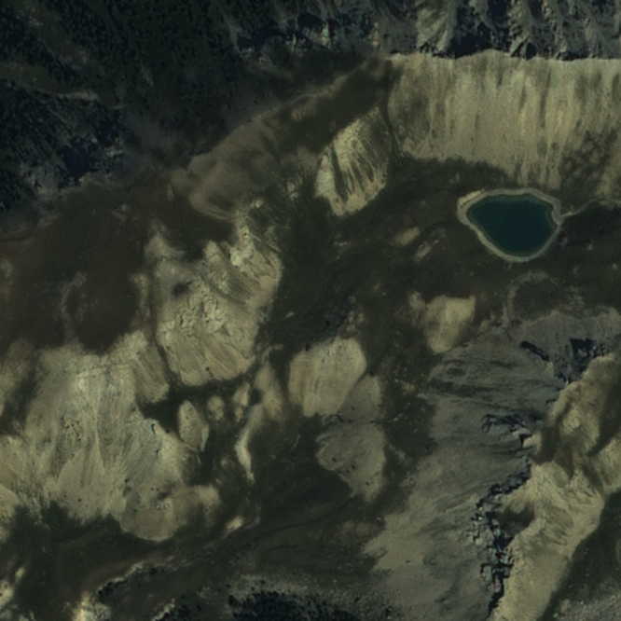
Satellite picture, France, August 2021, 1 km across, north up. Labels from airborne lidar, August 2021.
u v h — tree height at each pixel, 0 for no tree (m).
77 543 0
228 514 0
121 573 0
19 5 0
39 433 0
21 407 0
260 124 0
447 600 0
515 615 0
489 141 0
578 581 0
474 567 0
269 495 0
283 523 0
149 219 0
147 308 0
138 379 0
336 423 0
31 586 0
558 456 0
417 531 0
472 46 0
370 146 0
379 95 0
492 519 0
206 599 0
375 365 0
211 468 0
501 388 0
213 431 0
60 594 0
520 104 0
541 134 0
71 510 0
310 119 0
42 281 0
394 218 0
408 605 0
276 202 0
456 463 0
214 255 0
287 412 0
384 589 0
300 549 0
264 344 0
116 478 0
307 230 0
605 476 0
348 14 0
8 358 0
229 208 0
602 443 0
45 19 0
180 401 0
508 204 0
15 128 12
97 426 0
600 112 0
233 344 0
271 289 0
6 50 14
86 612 0
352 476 0
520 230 0
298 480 0
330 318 0
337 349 0
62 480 0
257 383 0
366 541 0
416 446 0
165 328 0
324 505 0
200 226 0
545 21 0
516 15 0
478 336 0
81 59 0
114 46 11
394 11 0
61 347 0
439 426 0
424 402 0
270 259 0
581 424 0
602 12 0
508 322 0
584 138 0
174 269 0
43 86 0
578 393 0
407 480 0
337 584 0
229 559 0
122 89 0
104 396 0
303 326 0
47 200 0
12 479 0
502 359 0
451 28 0
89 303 0
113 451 0
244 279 0
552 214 0
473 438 0
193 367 0
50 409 0
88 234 0
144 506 0
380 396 0
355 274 0
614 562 0
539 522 0
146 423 0
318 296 0
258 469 0
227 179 0
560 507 0
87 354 0
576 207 0
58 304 0
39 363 0
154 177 0
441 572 0
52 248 0
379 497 0
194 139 0
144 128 0
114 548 0
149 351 0
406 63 0
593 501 0
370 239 0
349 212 0
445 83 0
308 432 0
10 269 0
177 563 0
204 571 0
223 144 0
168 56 0
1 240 0
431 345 0
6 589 0
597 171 0
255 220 0
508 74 0
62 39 0
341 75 0
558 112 0
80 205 0
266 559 0
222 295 0
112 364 0
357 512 0
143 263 0
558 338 0
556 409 0
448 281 0
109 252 0
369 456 0
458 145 0
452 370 0
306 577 0
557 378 0
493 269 0
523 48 0
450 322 0
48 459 0
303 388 0
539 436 0
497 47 0
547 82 0
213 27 11
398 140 0
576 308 0
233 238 0
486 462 0
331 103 0
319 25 0
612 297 0
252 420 0
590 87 0
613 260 0
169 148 0
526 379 0
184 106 0
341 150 0
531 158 0
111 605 0
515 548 0
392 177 0
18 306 0
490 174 0
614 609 0
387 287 0
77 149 0
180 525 0
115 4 18
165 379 0
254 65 0
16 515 0
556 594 0
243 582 0
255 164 0
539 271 0
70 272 0
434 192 0
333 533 0
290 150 0
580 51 0
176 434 0
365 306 0
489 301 0
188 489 0
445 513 0
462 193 0
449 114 0
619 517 0
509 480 0
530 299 0
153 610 0
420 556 0
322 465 0
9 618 0
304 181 0
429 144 0
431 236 0
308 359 0
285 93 0
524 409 0
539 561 0
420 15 0
